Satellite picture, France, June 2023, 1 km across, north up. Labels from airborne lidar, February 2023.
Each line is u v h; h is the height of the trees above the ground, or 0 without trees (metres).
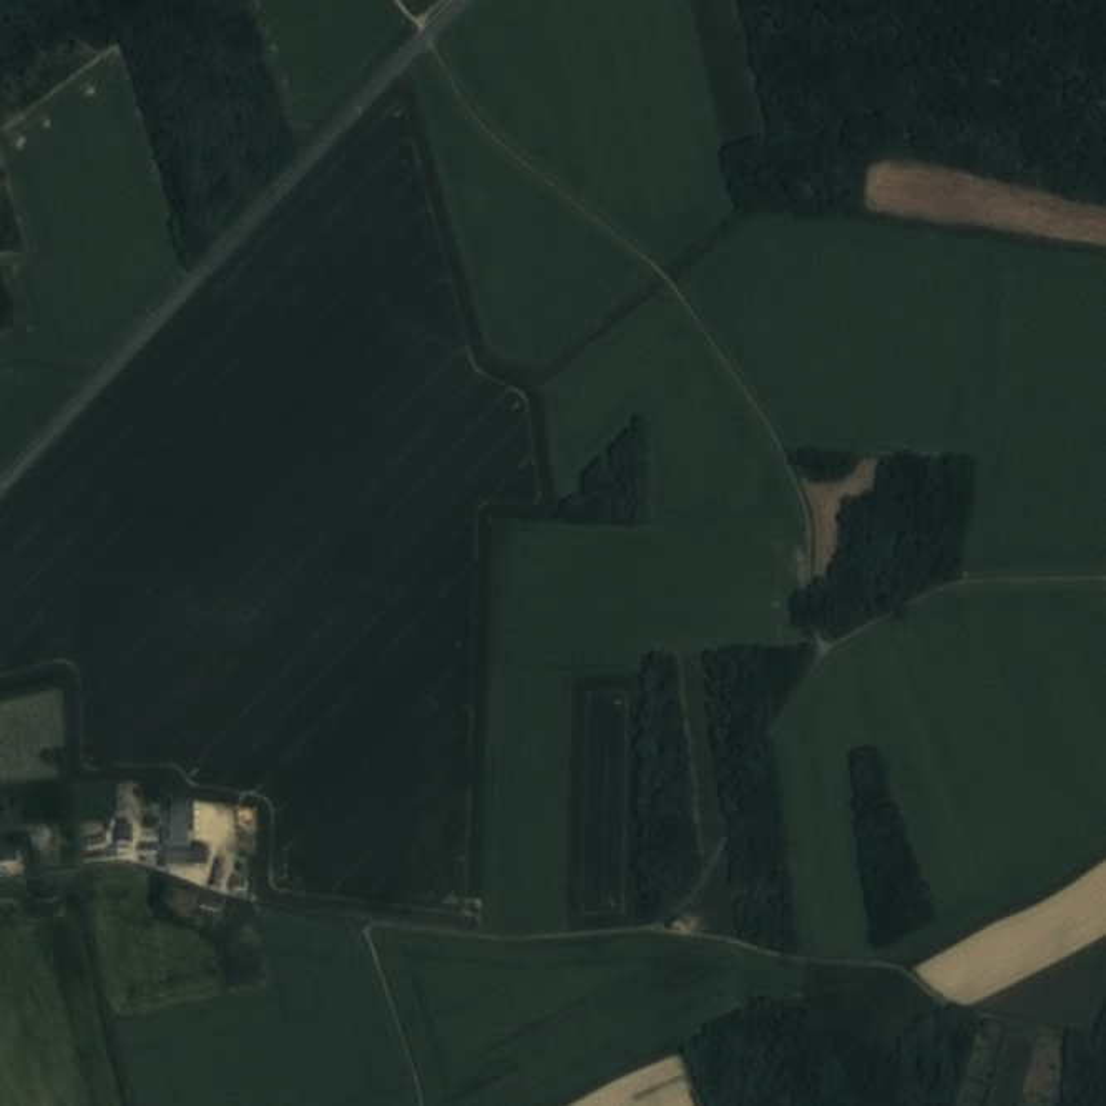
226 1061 0
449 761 0
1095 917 0
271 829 0
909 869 17
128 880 0
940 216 0
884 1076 15
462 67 0
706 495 0
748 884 9
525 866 0
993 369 0
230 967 0
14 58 20
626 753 0
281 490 0
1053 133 25
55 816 0
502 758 0
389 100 0
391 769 0
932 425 0
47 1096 0
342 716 0
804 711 0
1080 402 0
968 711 0
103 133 0
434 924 0
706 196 0
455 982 0
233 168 24
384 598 0
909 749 0
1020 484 0
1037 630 0
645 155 0
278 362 0
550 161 0
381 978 0
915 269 0
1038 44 22
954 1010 12
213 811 0
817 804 0
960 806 0
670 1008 0
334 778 0
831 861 0
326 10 0
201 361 0
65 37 20
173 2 23
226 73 22
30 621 0
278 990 0
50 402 0
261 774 0
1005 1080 0
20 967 0
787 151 26
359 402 0
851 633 18
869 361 0
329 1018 0
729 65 0
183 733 0
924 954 0
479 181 0
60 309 0
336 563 0
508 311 0
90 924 0
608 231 0
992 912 0
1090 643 0
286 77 0
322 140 0
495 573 0
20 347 0
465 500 0
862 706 0
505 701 0
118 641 0
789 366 0
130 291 0
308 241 0
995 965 0
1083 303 0
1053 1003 0
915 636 0
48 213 0
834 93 27
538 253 0
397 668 0
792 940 15
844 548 9
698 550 0
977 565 0
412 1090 0
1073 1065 21
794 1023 22
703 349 0
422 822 0
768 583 0
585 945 0
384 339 0
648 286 0
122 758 0
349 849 0
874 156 23
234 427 0
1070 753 0
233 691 0
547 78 0
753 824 19
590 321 0
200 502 0
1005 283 0
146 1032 0
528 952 0
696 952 0
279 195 0
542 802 0
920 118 24
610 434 0
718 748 12
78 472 0
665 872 18
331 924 0
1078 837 0
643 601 0
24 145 0
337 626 0
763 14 24
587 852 0
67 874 0
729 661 16
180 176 19
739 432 0
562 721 0
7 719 0
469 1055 0
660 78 0
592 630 0
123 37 17
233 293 0
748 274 0
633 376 0
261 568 0
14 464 0
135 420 0
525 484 0
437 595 0
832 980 0
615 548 0
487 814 0
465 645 0
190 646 0
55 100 0
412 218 0
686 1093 0
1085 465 0
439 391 0
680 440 0
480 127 0
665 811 23
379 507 0
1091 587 0
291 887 0
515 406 0
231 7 22
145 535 0
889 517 16
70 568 0
